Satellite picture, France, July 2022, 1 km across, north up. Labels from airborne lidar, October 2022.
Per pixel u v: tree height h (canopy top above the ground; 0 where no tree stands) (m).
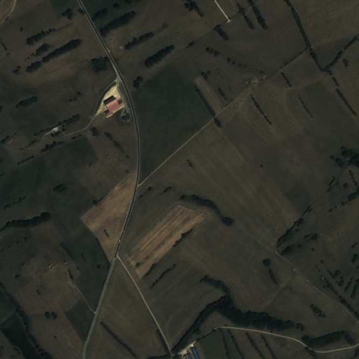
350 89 0
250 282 0
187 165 0
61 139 0
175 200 0
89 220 0
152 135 0
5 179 0
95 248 0
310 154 0
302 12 0
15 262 0
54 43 0
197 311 0
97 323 0
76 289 0
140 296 0
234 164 0
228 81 0
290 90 0
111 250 0
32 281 0
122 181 0
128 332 0
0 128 0
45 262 0
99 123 0
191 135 0
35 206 0
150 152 0
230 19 8
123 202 0
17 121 0
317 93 0
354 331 0
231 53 0
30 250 0
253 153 0
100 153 0
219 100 0
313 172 0
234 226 0
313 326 0
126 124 0
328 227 0
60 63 0
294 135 0
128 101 0
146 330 0
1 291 0
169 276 0
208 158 0
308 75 0
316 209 0
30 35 0
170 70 0
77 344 0
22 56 0
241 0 0
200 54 0
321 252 0
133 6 0
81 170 0
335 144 0
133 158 0
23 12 0
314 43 0
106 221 0
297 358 0
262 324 9
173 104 0
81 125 0
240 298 0
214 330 9
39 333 0
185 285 0
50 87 0
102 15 21
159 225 0
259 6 0
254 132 0
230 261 0
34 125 0
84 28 0
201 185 0
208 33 0
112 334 6
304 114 0
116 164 0
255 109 0
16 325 0
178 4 0
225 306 15
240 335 0
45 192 0
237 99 0
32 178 0
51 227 0
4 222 0
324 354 0
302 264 0
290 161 0
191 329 8
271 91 0
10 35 0
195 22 0
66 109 0
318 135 0
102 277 0
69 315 0
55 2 0
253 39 0
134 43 13
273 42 0
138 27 0
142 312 0
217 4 0
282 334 0
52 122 0
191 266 0
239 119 0
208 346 0
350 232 0
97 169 0
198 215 0
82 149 0
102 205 0
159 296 0
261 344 0
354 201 0
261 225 0
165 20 0
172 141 0
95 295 0
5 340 0
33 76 0
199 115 0
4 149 0
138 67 0
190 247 0
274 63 0
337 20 0
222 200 0
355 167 0
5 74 0
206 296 0
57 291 0
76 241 0
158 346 0
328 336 9
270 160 0
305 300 0
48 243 0
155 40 0
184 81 0
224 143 0
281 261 0
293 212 0
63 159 0
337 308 0
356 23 0
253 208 0
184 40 0
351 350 0
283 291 0
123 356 0
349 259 0
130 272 0
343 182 0
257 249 0
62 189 6
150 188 7
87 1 0
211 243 0
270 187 0
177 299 0
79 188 0
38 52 14
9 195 0
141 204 0
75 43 18
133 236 0
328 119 0
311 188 0
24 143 0
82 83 0
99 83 0
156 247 0
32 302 0
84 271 0
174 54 0
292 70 0
